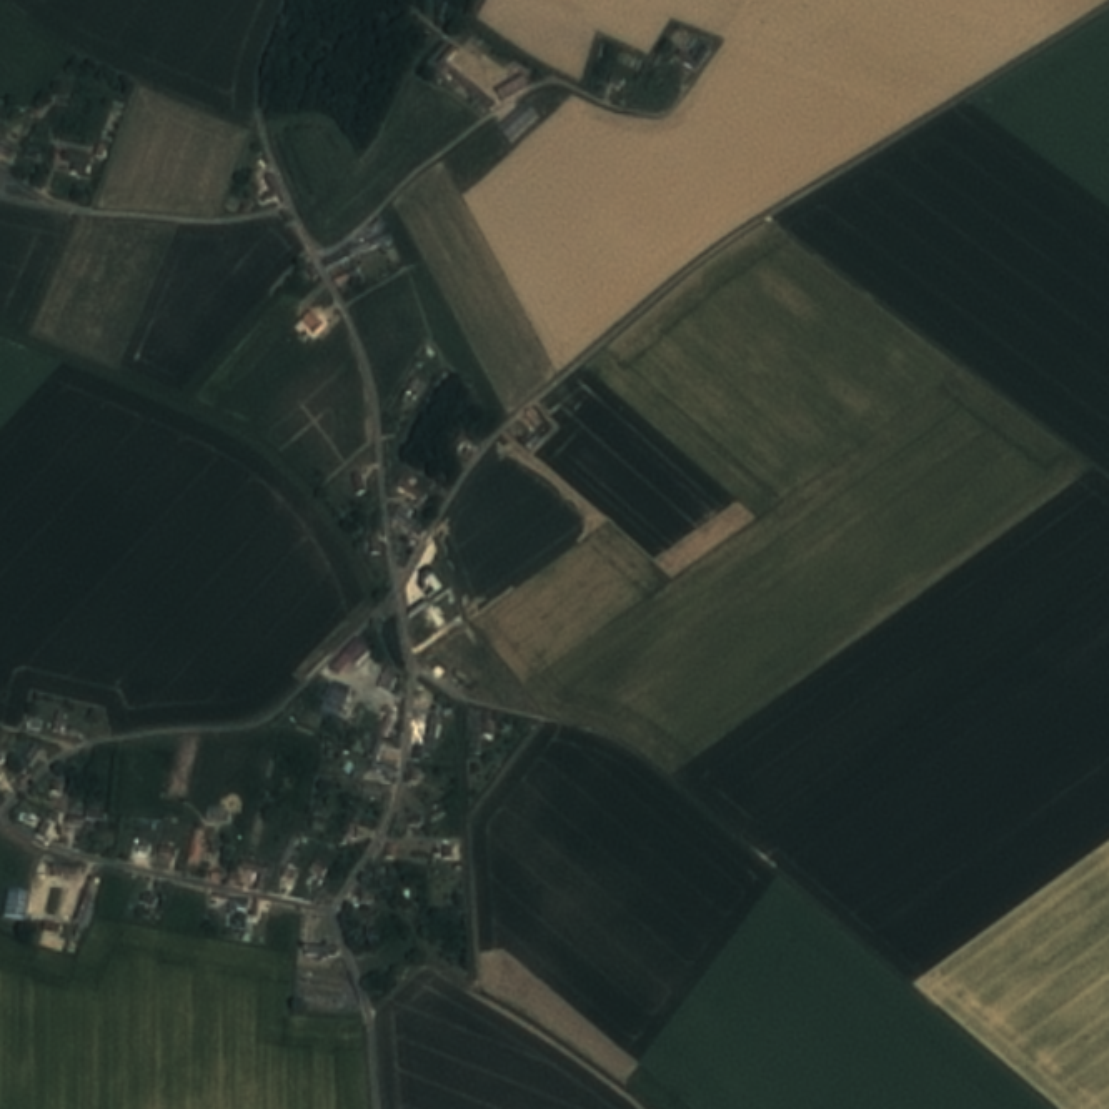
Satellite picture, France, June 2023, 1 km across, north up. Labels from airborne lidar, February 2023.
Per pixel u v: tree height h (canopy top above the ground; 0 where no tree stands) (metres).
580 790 0
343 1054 0
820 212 0
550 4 0
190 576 0
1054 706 0
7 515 0
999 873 0
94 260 0
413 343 0
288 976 0
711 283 0
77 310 0
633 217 0
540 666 0
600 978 0
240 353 0
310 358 0
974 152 0
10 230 0
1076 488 0
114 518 0
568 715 0
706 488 0
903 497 0
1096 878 0
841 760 0
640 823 0
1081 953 0
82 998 0
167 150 0
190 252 0
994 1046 0
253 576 0
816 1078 0
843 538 0
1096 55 0
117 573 0
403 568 0
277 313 0
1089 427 0
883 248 0
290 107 14
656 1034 0
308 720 0
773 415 0
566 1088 0
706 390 0
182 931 0
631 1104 0
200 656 0
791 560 0
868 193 0
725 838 0
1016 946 0
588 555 0
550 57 0
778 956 0
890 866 0
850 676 0
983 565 0
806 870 0
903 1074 0
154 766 0
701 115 0
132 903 0
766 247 0
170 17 0
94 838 7
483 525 0
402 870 9
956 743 0
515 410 0
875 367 0
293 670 0
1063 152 0
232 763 0
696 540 0
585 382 0
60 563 0
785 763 0
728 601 0
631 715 0
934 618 0
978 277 0
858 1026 0
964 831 0
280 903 0
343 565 0
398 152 0
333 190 0
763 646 0
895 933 0
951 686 0
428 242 0
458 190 0
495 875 0
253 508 0
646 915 0
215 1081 0
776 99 0
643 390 0
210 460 0
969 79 0
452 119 0
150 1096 0
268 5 0
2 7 0
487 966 0
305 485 0
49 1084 0
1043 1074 0
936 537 0
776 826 0
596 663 0
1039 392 0
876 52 0
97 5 0
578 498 0
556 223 0
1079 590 0
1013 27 0
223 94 0
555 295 0
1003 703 0
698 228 0
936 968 0
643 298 0
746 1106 0
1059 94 0
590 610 0
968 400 0
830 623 0
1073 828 0
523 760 0
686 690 0
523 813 0
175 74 0
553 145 0
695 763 0
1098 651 0
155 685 0
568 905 0
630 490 0
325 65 16
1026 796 0
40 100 11
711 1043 0
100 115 0
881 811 0
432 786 0
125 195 0
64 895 0
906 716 0
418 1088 0
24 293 0
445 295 0
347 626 0
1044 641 0
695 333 0
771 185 0
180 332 0
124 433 0
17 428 0
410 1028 0
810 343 0
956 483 0
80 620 0
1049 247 0
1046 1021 0
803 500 0
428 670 0
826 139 0
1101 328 0
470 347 0
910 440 0
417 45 16
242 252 0
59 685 0
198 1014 0
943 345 0
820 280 0
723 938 0
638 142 0
